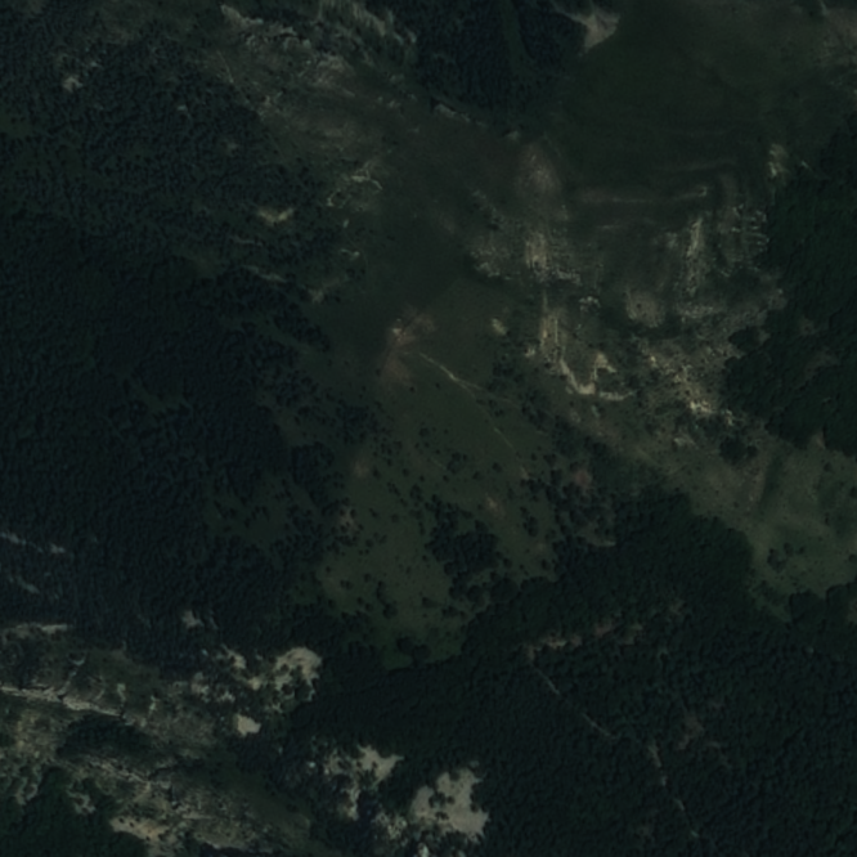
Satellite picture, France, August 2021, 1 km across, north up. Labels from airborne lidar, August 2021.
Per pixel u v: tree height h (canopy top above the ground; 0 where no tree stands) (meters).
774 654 14
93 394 23
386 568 0
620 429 0
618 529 9
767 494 0
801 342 10
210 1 0
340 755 6
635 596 25
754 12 0
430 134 0
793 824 21
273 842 6
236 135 8
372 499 0
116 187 7
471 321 0
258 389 8
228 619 17
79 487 19
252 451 19
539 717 13
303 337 14
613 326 0
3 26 9
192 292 20
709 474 0
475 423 0
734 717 16
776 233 15
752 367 15
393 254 0
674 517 23
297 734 18
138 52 9
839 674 24
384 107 0
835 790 16
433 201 0
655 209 0
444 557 16
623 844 17
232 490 8
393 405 0
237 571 8
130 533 19
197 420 22
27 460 12
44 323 19
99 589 10
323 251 7
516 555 0
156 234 7
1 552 10
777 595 10
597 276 0
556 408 0
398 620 0
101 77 12
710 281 0
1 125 0
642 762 14
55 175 8
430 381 0
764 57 0
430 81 8
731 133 0
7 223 23
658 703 22
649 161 0
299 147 0
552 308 0
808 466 0
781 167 0
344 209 0
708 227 0
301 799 6
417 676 24
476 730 15
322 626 18
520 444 0
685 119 0
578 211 0
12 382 17
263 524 0
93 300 23
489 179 0
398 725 17
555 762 13
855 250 17
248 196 9
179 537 21
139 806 6
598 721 22
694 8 0
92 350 17
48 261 21
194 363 24
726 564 21
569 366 0
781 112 0
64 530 16
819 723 21
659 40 0
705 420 7
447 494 0
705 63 0
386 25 0
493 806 14
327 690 17
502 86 14
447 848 9
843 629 19
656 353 0
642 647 20
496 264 0
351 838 10
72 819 17
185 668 8
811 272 14
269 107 0
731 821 19
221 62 0
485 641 15
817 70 0
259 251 9
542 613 23
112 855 12
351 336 0
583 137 0
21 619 10
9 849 16
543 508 0
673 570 19
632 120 0
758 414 17
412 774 8
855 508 0
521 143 0
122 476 21
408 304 0
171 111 11
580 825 17
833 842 23
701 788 16
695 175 0
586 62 0
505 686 16
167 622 9
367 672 21
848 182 8
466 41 14
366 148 0
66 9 11
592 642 26
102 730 12
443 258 0
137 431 11
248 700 7
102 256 19
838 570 0
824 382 19
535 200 0
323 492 11
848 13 0
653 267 0
